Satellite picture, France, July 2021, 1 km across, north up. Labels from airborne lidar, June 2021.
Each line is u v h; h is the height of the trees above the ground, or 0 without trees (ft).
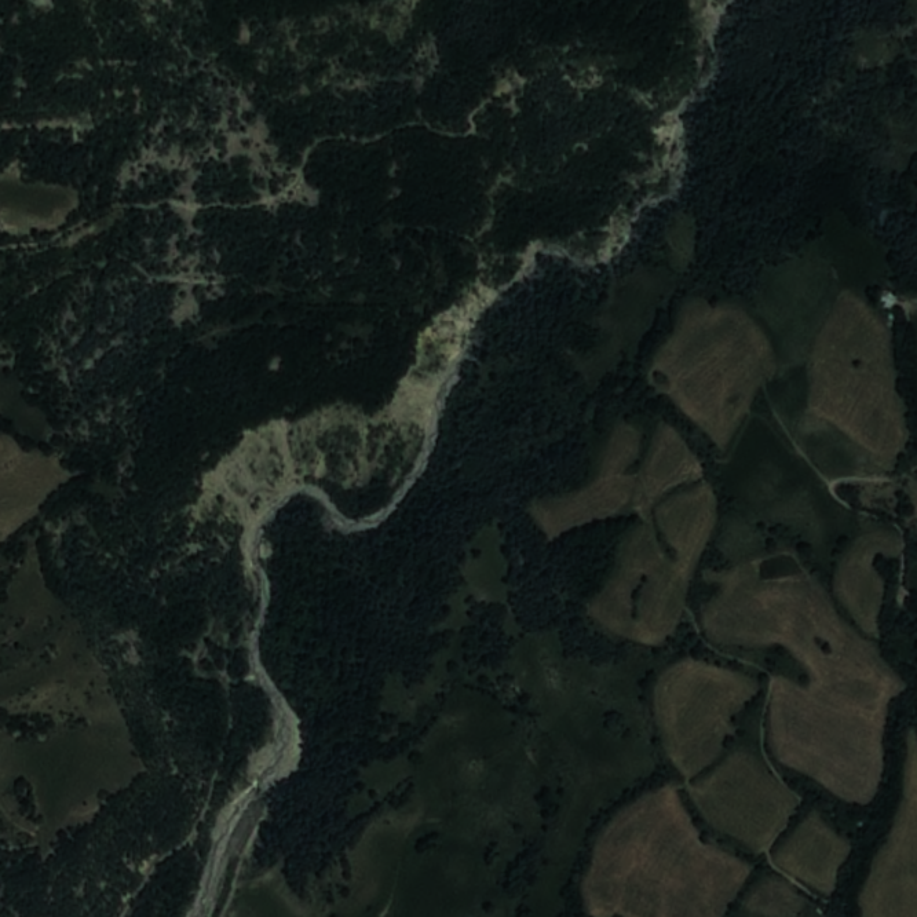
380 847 0
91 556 28
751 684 0
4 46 25
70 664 0
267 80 18
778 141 56
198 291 38
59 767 0
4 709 22
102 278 45
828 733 0
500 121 28
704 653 46
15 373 22
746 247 89
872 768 0
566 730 0
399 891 0
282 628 49
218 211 20
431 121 19
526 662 0
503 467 31
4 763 0
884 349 0
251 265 22
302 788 61
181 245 39
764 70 32
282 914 0
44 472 0
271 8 23
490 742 0
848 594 0
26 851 25
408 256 32
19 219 0
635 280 0
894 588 28
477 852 0
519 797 0
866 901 0
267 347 30
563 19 35
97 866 25
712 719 0
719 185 71
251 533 0
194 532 24
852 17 46
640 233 24
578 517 0
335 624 44
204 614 34
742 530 0
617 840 0
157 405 38
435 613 50
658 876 0
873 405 0
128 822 34
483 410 30
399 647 40
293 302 26
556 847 0
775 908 0
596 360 0
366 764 55
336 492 29
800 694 0
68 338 22
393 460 20
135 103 20
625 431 0
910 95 33
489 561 0
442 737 0
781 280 0
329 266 20
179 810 37
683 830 0
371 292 32
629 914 0
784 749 0
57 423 45
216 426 29
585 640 34
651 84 29
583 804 0
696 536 0
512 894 48
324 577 28
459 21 51
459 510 52
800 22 41
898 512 35
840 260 0
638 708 0
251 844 0
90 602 40
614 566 39
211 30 23
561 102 34
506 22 31
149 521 31
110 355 23
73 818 0
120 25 31
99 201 35
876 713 0
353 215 30
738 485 0
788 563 0
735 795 0
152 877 25
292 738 0
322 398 23
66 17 21
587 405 49
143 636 31
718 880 0
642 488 0
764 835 0
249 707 42
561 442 42
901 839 0
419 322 24
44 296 28
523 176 21
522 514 38
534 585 33
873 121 29
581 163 23
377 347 26
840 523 0
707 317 0
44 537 31
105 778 0
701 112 36
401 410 0
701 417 0
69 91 30
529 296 39
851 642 0
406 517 44
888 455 0
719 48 29
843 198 72
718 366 0
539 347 39
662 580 0
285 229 34
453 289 35
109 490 0
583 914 41
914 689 30
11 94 24
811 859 0
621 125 47
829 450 0
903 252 52
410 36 22
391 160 20
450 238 21
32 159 24
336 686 23
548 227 34
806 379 0
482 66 22
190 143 41
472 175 29
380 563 28
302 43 23
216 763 32
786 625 0
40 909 27
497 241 22
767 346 0
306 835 51
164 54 32
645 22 33
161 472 23
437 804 0
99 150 67
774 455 0
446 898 0
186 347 30
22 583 0
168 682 19
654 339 65
